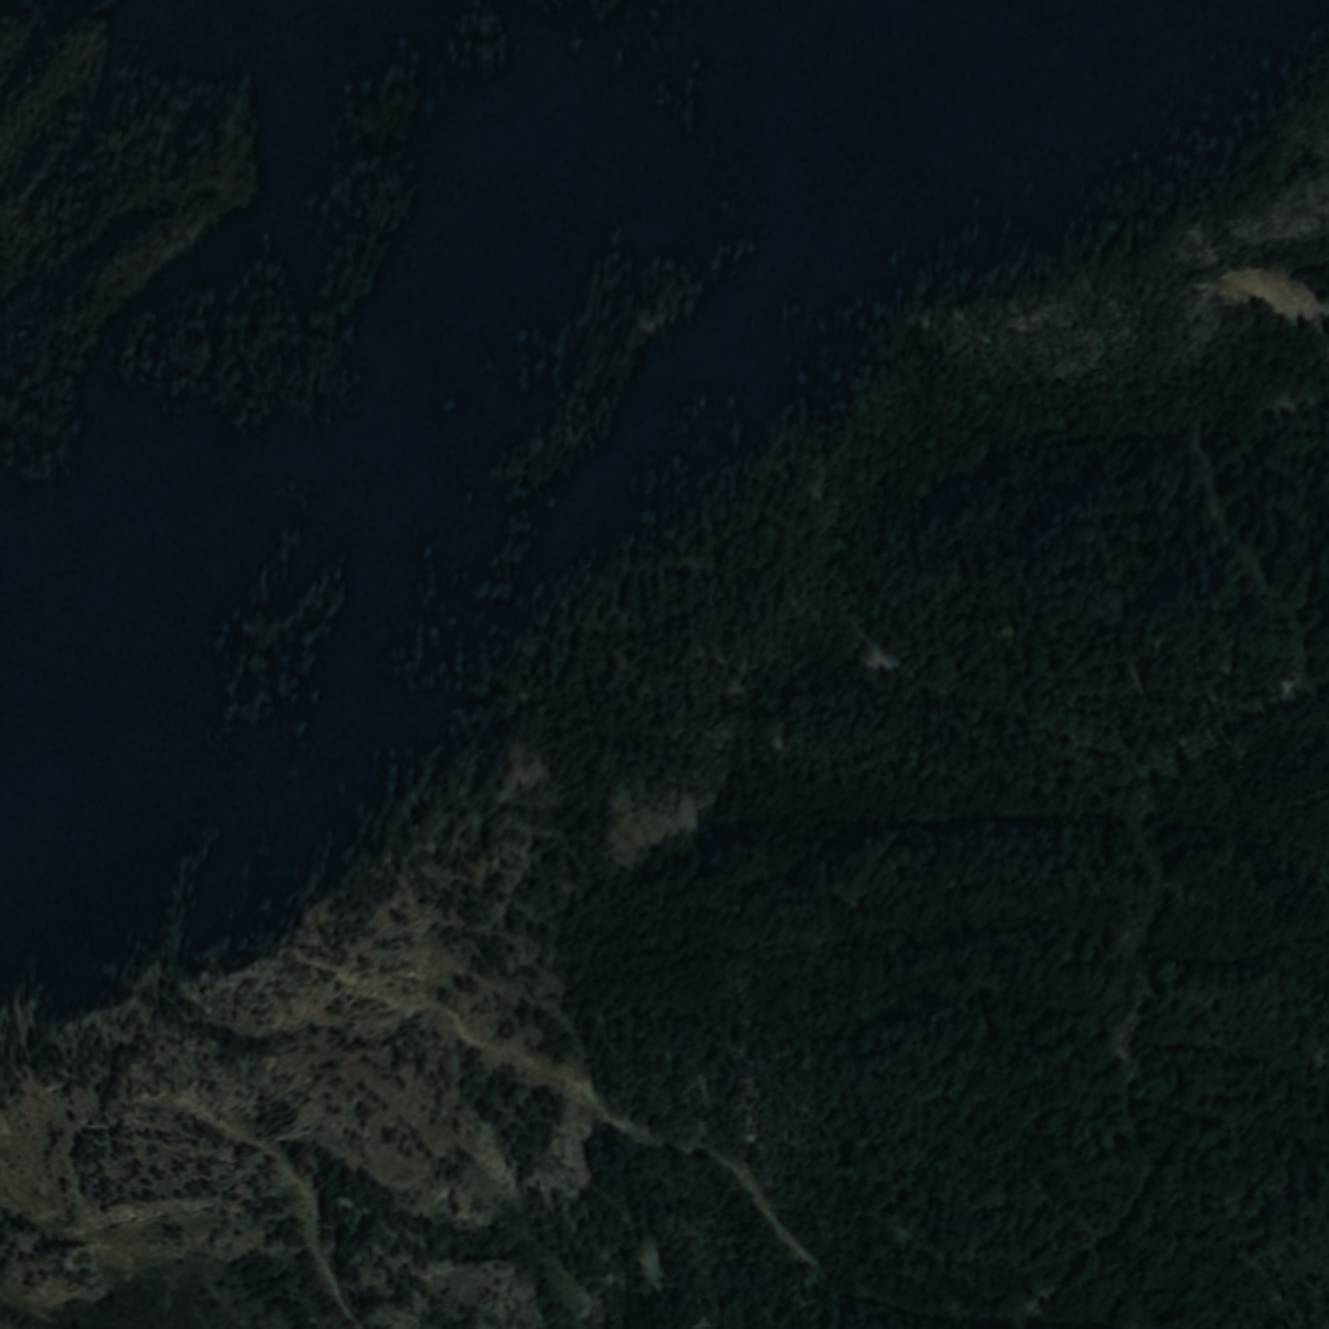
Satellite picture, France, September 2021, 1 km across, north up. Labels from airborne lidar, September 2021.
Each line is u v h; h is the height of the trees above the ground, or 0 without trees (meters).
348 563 18
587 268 34
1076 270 14
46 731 6
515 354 27
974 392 15
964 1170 28
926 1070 30
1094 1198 22
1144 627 13
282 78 9
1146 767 26
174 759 17
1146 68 22
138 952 13
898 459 23
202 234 9
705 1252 9
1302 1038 25
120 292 14
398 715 0
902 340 15
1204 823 18
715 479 14
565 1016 13
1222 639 18
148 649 8
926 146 36
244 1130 8
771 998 13
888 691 20
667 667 6
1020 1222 21
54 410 9
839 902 19
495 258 16
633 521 17
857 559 31
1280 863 19
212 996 11
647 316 8
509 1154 12
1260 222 17
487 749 10
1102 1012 19
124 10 7
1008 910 23
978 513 36
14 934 15
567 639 10
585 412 9
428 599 20
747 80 23
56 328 10
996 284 12
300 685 19
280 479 0
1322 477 24
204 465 19
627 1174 23
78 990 19
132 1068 8
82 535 7
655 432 24
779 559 13
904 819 15
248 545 8
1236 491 28
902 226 28
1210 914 17
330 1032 0
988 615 13
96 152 8
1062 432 15
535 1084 0
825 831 20
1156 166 29
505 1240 18
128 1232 0
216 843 6
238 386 7
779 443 21
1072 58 21
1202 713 29
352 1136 9
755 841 18
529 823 9
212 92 13
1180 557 29
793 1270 14
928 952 14
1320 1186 27
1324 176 16
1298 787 19
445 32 30
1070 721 27
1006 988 14
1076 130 23
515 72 12
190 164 11
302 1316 12
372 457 11
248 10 11
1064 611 36
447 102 18
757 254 20
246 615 19
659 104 24
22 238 6
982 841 30
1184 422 19
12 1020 13
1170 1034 19
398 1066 13
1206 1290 22
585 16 22
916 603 25
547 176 13
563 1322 17
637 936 9
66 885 9
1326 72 14
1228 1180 22
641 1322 25
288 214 8
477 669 11
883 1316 16
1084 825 12
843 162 20
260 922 15
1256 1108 18
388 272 11
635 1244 16
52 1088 22
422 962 0
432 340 26
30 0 13
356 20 11
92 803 0
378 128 25
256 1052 11
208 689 11
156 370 9
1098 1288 26
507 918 9
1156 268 14
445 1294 8
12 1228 10
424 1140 8
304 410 7
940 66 23
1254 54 25
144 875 18
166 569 12
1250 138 22
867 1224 16
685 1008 16
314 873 11
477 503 19
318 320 20
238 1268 12
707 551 14
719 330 10
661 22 21
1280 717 23
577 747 12
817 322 11
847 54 24
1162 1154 17
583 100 10
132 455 7
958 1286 14
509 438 15
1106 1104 18
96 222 10
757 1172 17
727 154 22
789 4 17
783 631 10
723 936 12
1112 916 13
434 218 6
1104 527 22
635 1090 14
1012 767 34
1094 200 20
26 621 8
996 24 27
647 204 18
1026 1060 23
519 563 22
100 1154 9
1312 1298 24
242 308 12
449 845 7
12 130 7
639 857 7
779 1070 10
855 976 27
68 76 7
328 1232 12
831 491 19
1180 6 22
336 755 13
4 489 8
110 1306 11
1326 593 7
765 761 10
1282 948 13
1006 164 23
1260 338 18
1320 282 25
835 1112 17
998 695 21
